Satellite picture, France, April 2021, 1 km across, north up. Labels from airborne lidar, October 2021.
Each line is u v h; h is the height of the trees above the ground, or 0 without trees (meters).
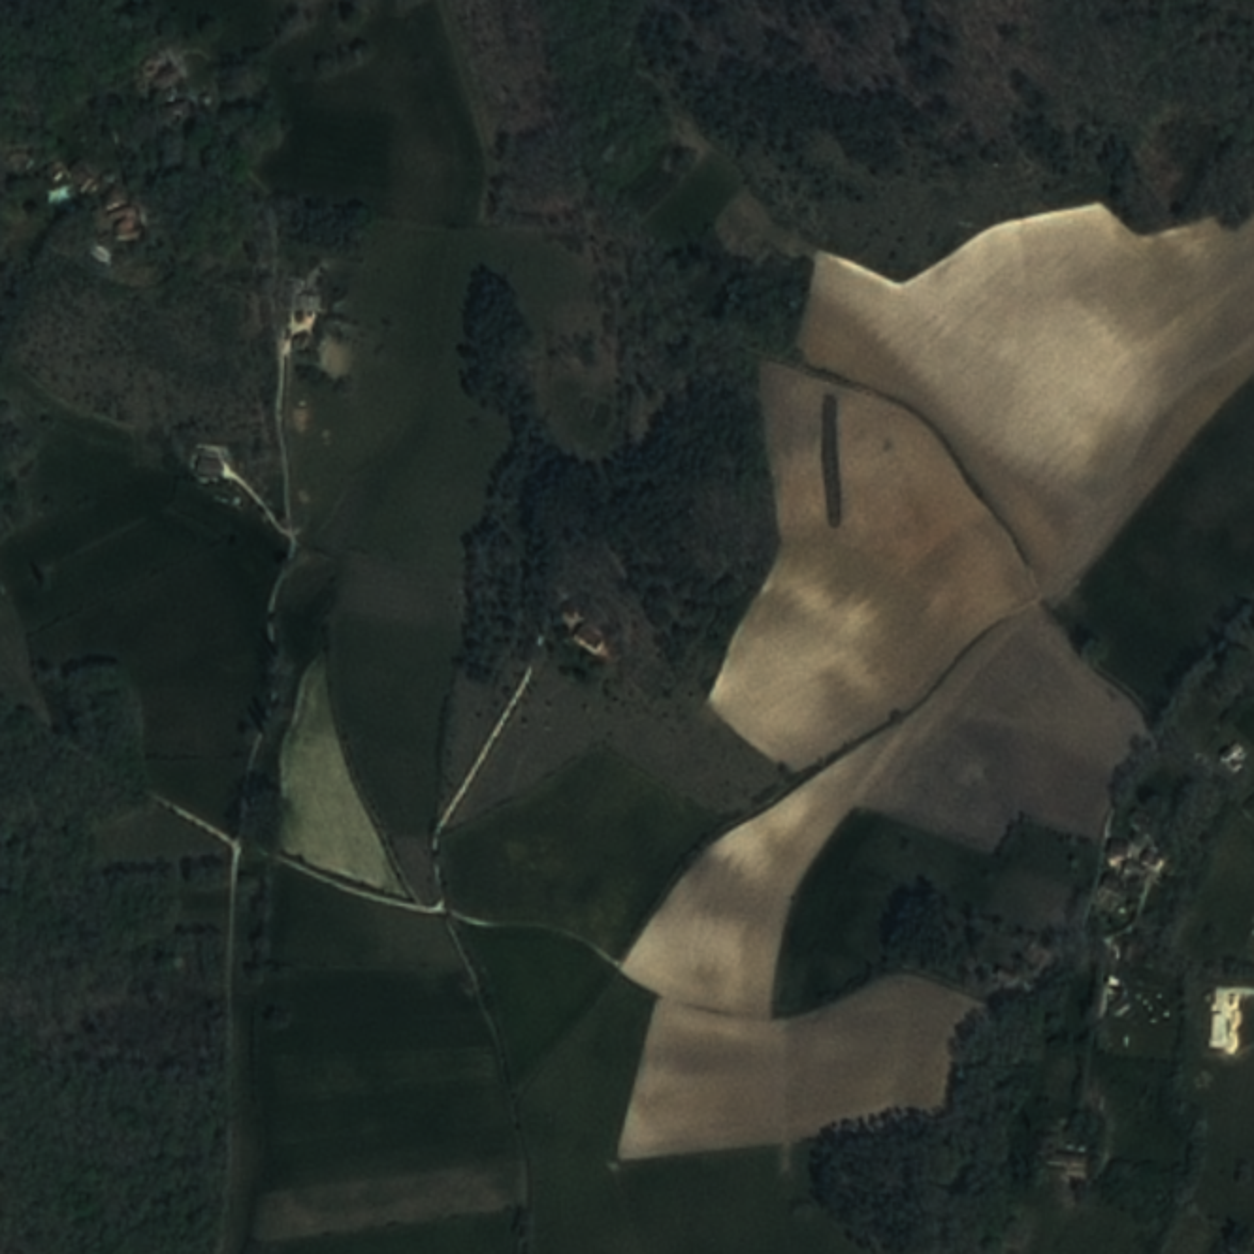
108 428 0
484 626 8
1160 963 14
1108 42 23
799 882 0
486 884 0
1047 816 0
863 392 0
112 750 25
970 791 0
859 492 0
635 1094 0
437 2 0
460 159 0
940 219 0
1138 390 0
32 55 22
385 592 0
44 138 18
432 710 0
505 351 23
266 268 17
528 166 16
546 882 0
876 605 0
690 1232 0
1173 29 15
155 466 0
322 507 0
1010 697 0
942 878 0
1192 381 0
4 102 21
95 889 21
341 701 0
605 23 19
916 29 23
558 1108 0
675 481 23
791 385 0
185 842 0
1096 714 0
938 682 0
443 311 0
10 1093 21
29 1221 21
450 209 0
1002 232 0
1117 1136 0
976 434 0
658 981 0
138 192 16
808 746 0
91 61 26
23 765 26
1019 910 0
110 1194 23
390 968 0
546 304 0
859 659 0
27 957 21
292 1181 0
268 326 15
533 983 0
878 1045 0
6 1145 20
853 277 0
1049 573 0
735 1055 0
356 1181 0
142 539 0
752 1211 0
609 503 20
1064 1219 0
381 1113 0
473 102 0
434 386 0
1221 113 23
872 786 0
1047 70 21
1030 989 9
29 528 15
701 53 15
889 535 0
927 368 0
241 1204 0
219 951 21
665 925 0
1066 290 0
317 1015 0
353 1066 0
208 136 19
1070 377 0
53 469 0
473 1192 0
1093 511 0
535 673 9
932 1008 0
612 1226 0
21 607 0
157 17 21
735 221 0
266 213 21
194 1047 9
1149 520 0
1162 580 0
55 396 0
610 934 0
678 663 15
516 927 0
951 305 0
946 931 13
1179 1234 0
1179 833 17
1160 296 0
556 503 23
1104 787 0
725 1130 0
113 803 23
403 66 0
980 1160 20
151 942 23
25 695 0
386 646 0
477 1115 0
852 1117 0
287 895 0
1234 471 0
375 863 0
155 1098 23
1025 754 0
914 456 0
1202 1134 13
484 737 0
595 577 19
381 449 0
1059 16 20
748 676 0
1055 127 16
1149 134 19
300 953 0
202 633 0
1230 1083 0
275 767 0
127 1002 21
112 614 0
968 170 16
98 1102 22
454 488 0
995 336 0
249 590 0
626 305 14
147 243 14
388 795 0
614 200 18
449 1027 0
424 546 0
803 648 0
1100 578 0
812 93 18
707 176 0
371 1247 0
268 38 6
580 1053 0
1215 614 0
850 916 0
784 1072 0
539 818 0
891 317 0
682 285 19
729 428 27
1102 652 15
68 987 21
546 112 10
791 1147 0
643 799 0
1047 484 0
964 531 0
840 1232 21
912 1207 18
